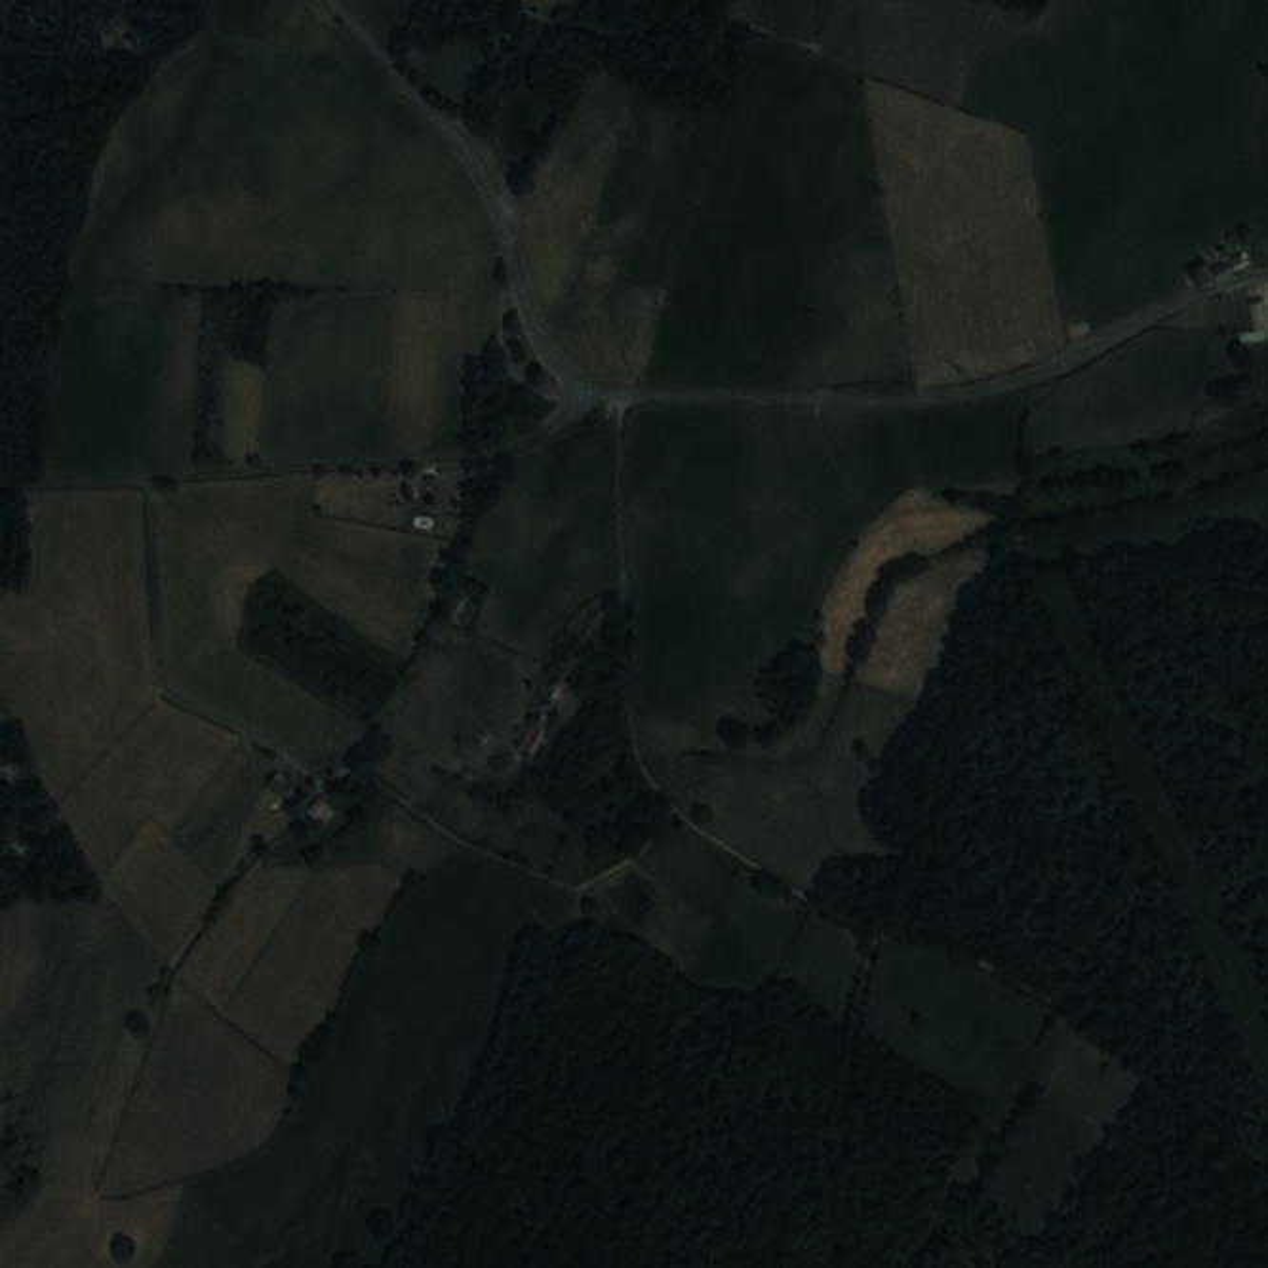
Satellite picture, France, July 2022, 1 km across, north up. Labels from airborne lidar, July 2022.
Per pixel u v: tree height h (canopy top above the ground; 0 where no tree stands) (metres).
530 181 16
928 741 20
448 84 0
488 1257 23
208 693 0
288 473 0
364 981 0
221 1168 0
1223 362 0
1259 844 11
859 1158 25
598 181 0
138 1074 0
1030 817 18
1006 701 18
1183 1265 17
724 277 0
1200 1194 23
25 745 16
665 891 0
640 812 24
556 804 17
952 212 0
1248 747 20
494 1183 21
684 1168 19
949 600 0
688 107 13
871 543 0
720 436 0
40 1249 0
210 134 0
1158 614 22
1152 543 0
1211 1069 11
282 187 0
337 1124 0
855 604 0
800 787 0
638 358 0
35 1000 0
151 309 0
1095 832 24
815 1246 20
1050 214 0
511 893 0
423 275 0
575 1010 24
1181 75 0
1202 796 24
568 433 0
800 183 0
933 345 0
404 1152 0
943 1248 27
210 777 0
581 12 7
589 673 9
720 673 0
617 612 17
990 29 0
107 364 0
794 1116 21
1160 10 0
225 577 0
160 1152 0
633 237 0
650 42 18
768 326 0
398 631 0
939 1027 0
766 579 0
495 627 0
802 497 0
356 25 0
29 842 18
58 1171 0
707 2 20
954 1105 15
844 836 0
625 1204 23
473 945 0
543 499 0
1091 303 0
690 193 0
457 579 6
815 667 21
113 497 0
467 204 0
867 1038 12
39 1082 0
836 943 0
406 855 0
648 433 0
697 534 0
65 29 22
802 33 0
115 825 0
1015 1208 0
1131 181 0
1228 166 0
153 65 18
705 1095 22
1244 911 15
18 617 0
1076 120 0
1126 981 19
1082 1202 20
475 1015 0
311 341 0
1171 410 0
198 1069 0
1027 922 14
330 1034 14
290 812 12
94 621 0
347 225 0
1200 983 8
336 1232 0
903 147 0
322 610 0
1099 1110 0
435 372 0
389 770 0
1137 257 0
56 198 23
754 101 0
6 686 0
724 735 14
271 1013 0
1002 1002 0
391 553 0
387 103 0
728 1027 23
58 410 0
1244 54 0
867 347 0
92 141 20
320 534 0
